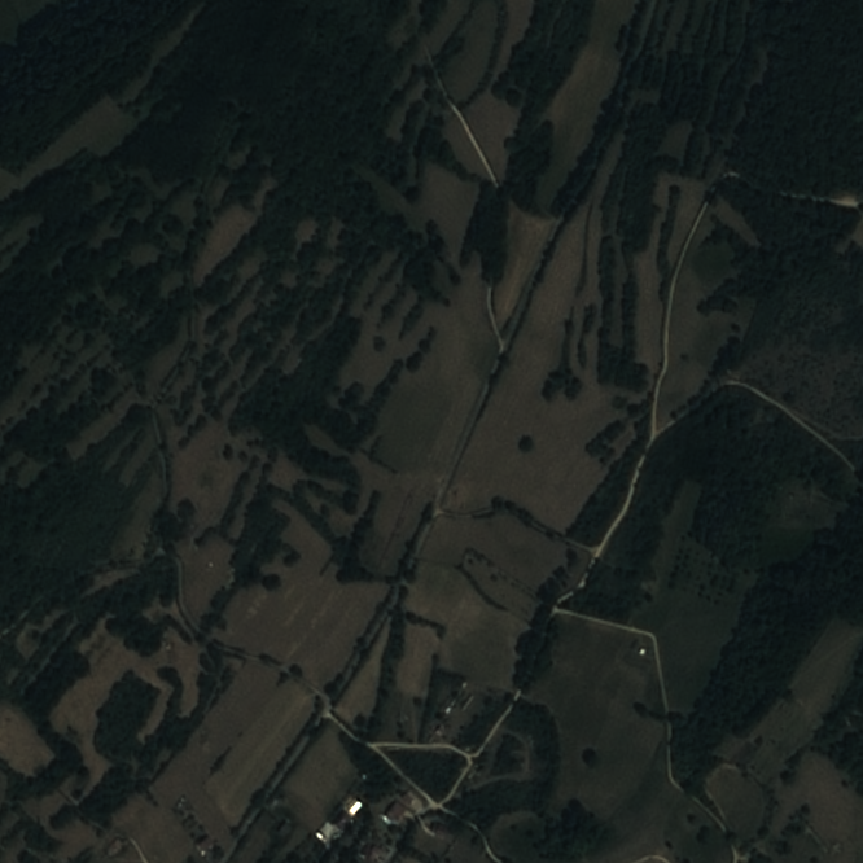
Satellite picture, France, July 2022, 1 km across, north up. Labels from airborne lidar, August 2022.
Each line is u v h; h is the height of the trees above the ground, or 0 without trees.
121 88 14
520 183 19
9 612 11
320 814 0
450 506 0
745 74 14
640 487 8
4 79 18
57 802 0
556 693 0
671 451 9
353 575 15
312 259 10
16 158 11
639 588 6
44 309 18
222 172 13
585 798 0
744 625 11
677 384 0
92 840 0
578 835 20
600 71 0
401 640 10
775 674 8
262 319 7
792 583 15
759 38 12
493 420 0
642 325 0
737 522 10
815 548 12
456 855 0
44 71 21
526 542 0
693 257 0
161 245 9
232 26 17
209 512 0
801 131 14
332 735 0
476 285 0
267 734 0
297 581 0
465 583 0
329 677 0
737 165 15
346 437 13
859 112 16
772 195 14
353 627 0
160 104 9
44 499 12
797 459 6
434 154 13
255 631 0
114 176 15
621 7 0
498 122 0
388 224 17
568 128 0
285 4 19
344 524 0
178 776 0
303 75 10
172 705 13
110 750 7
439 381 0
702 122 9
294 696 0
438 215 0
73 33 30
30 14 0
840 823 0
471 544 0
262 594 0
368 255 15
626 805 0
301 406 17
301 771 0
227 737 0
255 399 6
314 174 13
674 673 0
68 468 13
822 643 0
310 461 16
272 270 9
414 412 0
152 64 15
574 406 0
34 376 0
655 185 7
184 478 0
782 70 17
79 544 7
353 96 13
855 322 8
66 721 0
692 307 0
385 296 0
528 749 0
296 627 0
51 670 10
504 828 0
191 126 16
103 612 12
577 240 0
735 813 0
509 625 0
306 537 0
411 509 0
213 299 12
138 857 0
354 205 15
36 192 19
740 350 11
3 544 8
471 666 0
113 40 17
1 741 0
